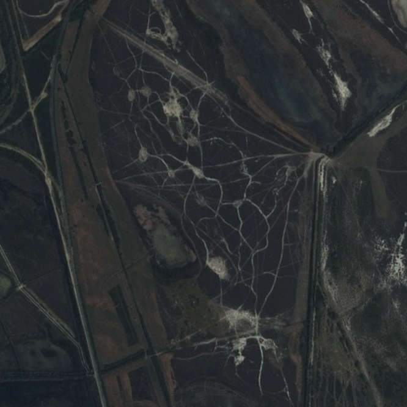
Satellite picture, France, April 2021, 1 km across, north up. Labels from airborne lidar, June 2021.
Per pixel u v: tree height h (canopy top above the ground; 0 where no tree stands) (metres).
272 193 0
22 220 0
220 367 0
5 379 6
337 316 6
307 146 0
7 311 0
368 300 0
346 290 0
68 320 0
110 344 0
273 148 0
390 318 0
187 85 0
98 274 0
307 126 0
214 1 0
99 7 0
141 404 0
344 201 0
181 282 0
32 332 0
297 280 0
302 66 0
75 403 0
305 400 0
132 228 0
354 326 0
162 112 0
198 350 0
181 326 0
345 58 0
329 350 0
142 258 0
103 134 0
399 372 0
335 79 0
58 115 0
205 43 0
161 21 0
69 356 0
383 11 0
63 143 0
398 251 0
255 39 0
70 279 0
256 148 0
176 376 0
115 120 0
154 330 0
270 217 0
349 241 0
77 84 0
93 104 0
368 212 0
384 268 0
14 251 0
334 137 0
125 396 0
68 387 0
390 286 0
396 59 0
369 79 0
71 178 0
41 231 0
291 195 0
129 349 0
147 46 0
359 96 0
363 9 0
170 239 0
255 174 0
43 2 0
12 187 0
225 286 0
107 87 0
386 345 0
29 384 0
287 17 0
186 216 0
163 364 0
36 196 0
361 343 0
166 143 0
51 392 0
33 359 0
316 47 0
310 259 0
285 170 0
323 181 0
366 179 0
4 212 0
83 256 0
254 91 0
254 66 0
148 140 0
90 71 0
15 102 0
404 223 0
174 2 0
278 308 0
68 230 0
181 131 0
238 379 0
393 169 0
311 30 0
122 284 0
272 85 0
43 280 0
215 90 0
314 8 0
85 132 0
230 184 0
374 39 0
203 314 0
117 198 0
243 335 0
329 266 0
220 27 0
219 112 0
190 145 0
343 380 0
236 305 0
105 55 0
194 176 0
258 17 0
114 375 0
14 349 0
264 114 0
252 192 0
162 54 0
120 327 0
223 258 0
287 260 0
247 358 0
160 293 0
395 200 0
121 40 0
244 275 0
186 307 0
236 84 0
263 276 0
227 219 0
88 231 0
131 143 0
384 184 0
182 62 0
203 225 0
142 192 0
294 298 0
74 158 0
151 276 0
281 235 0
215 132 0
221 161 0
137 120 0
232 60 0
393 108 0
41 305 0
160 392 0
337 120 0
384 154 0
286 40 0
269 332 0
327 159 0
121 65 0
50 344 0
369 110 0
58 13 0
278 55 0
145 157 0
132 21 0
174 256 0
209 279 0
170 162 0
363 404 0
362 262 0
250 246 0
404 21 0
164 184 0
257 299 0
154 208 0
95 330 0
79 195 0
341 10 0
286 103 0
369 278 0
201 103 0
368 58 0
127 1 0
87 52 0
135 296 0
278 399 0
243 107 0
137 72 0
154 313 0
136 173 0
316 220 0
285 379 0
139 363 0
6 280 0
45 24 0
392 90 0
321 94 0
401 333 0
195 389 0
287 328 0
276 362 0
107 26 0
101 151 0
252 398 0
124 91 0
